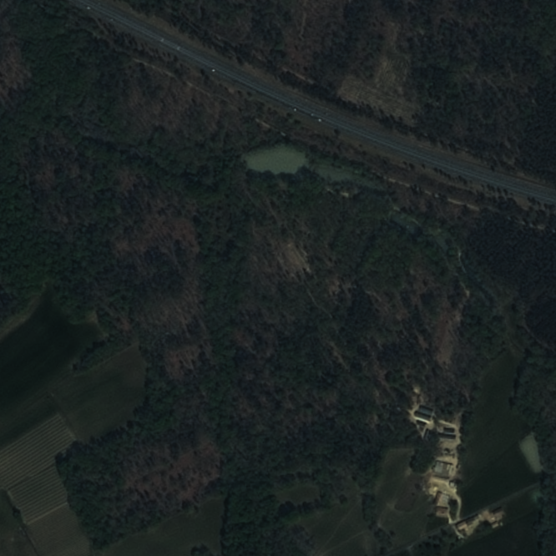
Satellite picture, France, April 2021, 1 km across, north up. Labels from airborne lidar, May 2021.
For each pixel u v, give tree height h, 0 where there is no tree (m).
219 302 18
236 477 11
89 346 0
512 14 22
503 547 0
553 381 20
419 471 15
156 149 20
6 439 0
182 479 14
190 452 14
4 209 21
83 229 17
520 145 8
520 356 0
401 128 11
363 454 18
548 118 23
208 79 11
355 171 12
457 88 19
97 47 20
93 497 15
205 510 0
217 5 14
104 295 13
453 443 0
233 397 20
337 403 10
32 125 24
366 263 23
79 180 18
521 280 21
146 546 0
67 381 0
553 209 11
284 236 16
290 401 14
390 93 0
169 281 30
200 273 20
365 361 18
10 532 0
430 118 24
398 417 24
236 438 22
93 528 16
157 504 11
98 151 25
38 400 0
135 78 12
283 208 18
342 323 17
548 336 11
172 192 17
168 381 20
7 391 0
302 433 15
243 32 7
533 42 19
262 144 10
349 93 0
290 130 8
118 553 0
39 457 0
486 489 0
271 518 20
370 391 21
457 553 0
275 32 17
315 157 18
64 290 20
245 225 20
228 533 19
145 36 0
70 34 13
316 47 10
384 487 0
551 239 20
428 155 0
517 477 0
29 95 21
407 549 0
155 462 19
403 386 16
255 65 12
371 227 15
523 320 8
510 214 19
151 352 20
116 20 0
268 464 14
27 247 30
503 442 0
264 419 17
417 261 20
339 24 8
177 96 12
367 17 24
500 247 18
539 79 18
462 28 10
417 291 26
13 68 15
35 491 0
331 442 25
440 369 18
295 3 13
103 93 17
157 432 20
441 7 23
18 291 24
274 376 20
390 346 11
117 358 0
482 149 11
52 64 21
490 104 24
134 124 18
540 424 13
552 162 20
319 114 0
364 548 0
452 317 15
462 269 17
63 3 10
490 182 0
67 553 0
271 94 0
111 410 0
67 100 21
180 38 0
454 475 0
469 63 11
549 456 12
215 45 7
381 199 20
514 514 0
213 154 16
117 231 17
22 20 21
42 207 22
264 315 22
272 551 21
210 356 17
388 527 0
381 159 9
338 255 16
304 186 24
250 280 14
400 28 12
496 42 24
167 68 12
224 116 14
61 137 12
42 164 29
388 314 13
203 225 24
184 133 17
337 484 18
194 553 9
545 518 18
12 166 27
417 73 24
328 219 15
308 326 13
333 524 0
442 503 0
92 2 0
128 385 0
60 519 0
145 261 13
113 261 20
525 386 19
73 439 0
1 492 0
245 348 11
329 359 14
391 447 13
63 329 0
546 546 21
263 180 19
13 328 0
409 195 13
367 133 0
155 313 16
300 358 17
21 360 0
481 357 21
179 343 22
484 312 22
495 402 0
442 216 16
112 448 21
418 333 16
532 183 0
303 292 15
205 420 23
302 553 25
